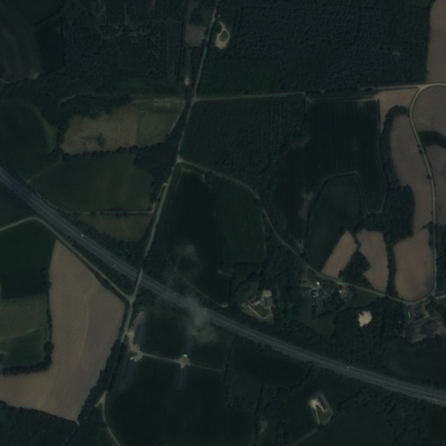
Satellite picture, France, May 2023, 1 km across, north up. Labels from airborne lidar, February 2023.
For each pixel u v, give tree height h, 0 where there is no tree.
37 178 0
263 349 12
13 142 0
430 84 0
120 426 0
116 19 7
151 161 12
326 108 0
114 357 10
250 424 0
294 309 14
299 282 10
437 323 0
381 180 0
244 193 0
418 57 17
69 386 0
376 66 15
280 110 7
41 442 14
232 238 0
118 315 0
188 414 0
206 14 0
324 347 9
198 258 0
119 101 11
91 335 0
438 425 0
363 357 22
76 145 0
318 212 0
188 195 0
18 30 0
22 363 0
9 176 0
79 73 18
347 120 0
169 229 0
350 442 0
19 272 0
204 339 0
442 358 0
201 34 0
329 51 14
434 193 0
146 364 0
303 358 0
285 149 15
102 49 13
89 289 0
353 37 12
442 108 0
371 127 0
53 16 12
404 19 13
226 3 18
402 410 10
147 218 0
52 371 0
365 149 0
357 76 10
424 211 0
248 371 0
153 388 0
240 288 11
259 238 0
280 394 17
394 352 0
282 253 19
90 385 0
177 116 0
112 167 0
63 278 0
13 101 0
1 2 0
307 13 20
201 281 0
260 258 0
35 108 0
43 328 0
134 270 0
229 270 12
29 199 0
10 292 0
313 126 0
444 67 0
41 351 0
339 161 0
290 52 17
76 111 13
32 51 0
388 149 15
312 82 17
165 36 11
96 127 0
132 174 0
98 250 0
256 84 16
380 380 0
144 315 0
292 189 0
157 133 0
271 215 12
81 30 13
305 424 0
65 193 0
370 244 0
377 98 0
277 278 21
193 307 0
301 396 0
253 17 22
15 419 20
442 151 0
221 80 15
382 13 23
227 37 0
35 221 0
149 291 12
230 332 8
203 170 0
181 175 0
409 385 0
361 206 6
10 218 0
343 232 13
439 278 13
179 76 9
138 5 21
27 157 0
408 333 0
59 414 0
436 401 0
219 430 0
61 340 0
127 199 0
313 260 0
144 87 0
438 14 0
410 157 0
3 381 0
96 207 0
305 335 9
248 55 11
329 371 10
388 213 6
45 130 0
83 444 14
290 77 14
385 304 18
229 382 10
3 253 0
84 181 0
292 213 0
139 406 0
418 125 0
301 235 0
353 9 14
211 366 0
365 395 18
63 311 0
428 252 0
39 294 0
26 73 0
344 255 0
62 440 11
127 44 6
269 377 0
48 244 0
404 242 0
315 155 0
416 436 11
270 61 17
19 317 0
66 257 0
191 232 0
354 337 16
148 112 0
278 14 19
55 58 0
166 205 0
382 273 0
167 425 0
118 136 0
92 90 0
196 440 0
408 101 0
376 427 0
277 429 6
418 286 0
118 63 8
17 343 0
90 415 15
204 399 0
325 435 0
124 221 0
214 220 0
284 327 9
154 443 0
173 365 0
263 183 7
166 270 14
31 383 0
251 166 6
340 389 0
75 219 6
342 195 0
